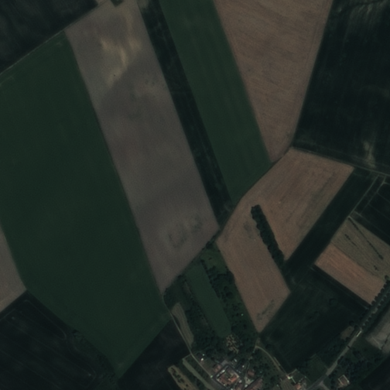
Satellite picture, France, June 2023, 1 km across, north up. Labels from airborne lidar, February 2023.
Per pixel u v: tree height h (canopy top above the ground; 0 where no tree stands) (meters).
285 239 0
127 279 0
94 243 0
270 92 0
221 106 0
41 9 0
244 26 0
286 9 0
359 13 0
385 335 0
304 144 0
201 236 0
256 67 0
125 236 0
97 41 0
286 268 0
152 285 0
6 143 0
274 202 0
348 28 0
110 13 0
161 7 0
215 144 0
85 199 0
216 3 0
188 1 0
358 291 0
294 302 0
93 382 0
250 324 0
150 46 0
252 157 0
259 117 0
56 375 0
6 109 0
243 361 12
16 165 0
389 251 0
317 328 0
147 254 0
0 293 0
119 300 0
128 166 0
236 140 0
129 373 0
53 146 0
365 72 0
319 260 0
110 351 0
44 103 0
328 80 0
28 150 0
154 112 0
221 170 0
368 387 0
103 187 0
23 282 0
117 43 0
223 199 0
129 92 0
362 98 0
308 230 0
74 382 0
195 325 8
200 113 0
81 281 0
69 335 0
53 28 0
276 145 0
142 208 0
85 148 0
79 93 0
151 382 0
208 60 0
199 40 0
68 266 0
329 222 0
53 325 0
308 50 0
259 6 0
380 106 0
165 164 0
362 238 0
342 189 0
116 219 0
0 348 0
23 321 0
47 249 0
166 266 0
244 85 0
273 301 0
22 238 0
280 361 0
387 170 0
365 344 0
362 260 0
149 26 0
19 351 0
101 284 0
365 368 23
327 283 0
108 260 0
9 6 0
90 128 0
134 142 0
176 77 0
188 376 0
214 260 0
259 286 0
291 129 0
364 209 0
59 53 0
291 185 0
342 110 0
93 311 0
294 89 0
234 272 0
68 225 0
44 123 0
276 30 0
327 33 0
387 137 0
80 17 0
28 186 0
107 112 0
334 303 13
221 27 0
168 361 0
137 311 0
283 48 0
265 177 0
